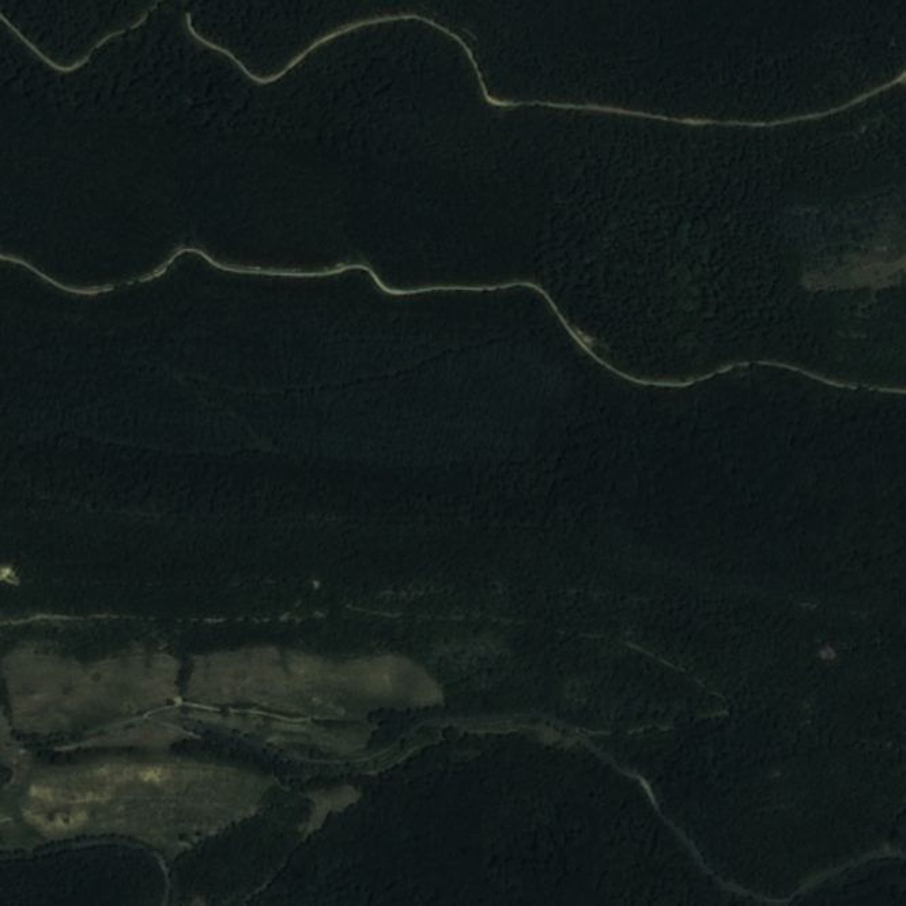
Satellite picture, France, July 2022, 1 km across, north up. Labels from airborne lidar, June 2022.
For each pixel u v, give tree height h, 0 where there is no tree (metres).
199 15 18
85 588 10
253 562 9
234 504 8
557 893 24
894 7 18
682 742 9
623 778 10
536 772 15
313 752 10
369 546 11
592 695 10
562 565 6
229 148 8
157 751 0
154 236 5
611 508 15
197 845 11
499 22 13
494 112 14
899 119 17
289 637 11
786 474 18
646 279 16
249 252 9
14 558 10
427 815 18
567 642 13
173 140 11
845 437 17
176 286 7
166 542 12
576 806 21
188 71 23
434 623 10
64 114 11
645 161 17
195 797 0
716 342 11
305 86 20
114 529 10
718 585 6
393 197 7
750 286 14
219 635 11
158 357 9
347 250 11
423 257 11
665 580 8
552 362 12
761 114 8
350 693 0
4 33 14
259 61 15
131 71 7
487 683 7
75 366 6
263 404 9
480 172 16
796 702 8
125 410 11
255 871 11
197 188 7
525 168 18
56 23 18
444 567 9
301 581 12
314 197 7
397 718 16
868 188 13
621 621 7
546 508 12
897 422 18
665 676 14
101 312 7
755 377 23
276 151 9
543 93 12
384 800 15
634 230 17
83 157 10
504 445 11
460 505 13
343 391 19
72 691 0
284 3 18
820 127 13
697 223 18
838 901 14
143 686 0
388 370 7
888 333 11
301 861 18
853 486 16
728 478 19
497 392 16
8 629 6
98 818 0
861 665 16
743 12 18
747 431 18
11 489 13
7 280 8
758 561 11
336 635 8
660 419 14
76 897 17
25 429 8
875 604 14
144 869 13
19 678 0
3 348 9
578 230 20
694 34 19
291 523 11
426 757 19
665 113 7
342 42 14
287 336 13
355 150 27
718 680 10
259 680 0
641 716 14
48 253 8
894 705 22
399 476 17
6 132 13
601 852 12
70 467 10
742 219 18
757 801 7
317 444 13
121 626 8
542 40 14
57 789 0
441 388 13
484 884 19
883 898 20
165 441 12
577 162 16
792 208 14
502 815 18
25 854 12
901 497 17
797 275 11
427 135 12
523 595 12
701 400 21
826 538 19
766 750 9
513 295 7
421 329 9
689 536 16
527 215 8
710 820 8
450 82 16
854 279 0
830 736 16
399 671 0
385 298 6
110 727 0
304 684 0
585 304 17
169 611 10
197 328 7
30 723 0
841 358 14
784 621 16
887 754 19
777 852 14
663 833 21
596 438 16
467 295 10
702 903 19
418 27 15
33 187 7
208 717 0
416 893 16
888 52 18
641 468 26
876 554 12
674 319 20
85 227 7
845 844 14
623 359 11
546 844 18
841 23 12
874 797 16
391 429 13
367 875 10
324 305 10
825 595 12
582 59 11
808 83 15
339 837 16
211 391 9
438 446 12
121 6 18
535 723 12
